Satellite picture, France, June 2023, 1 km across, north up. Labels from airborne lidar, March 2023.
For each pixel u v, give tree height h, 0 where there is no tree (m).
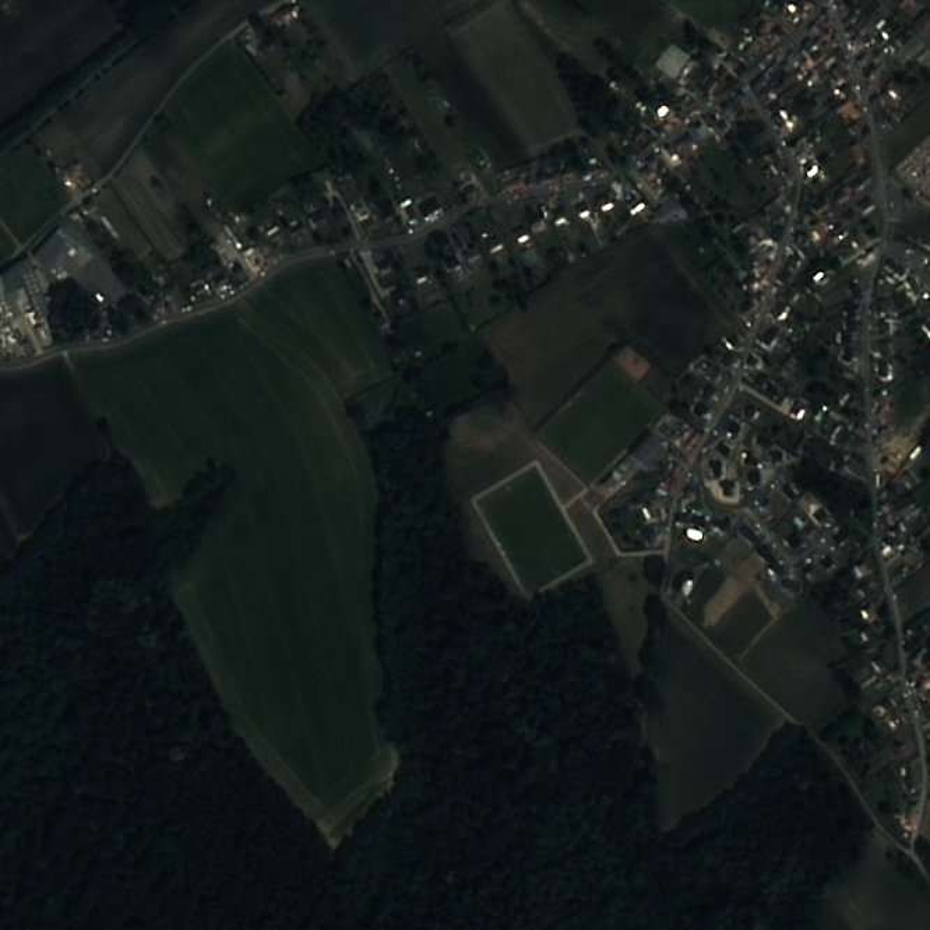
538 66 0
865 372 0
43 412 0
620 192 0
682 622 0
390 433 21
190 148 0
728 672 0
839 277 0
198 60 0
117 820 22
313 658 0
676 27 0
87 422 0
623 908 24
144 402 0
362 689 0
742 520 0
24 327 0
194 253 13
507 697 28
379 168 0
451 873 25
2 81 0
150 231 0
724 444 7
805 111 0
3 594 22
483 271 0
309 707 0
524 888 28
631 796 24
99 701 23
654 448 0
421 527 24
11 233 0
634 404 0
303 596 0
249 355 0
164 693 25
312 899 25
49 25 0
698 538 0
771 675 0
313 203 0
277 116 0
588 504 0
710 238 11
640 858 26
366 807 0
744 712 0
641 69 0
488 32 0
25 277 0
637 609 0
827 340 0
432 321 0
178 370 0
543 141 0
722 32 0
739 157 14
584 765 28
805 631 0
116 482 24
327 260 0
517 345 0
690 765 0
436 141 0
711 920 26
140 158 0
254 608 0
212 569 0
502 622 25
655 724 0
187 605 0
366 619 0
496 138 0
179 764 24
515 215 0
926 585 0
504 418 0
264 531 0
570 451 0
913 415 0
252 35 0
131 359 0
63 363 0
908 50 0
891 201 0
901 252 0
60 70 0
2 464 0
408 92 0
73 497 21
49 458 0
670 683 0
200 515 15
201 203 0
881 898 0
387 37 0
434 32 0
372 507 0
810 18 0
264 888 20
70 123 0
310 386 0
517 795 29
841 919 0
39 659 29
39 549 14
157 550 29
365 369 0
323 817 0
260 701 0
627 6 0
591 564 0
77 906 22
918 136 0
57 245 0
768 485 0
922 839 0
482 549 0
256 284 0
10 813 28
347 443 0
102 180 0
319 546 0
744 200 0
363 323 0
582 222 0
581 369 0
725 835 24
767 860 22
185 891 27
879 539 0
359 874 25
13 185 0
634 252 0
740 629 0
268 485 0
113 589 24
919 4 0
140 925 24
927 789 0
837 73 0
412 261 0
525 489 0
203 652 0
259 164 0
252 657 0
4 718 27
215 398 0
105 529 25
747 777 0
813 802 24
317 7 0
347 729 0
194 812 16
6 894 19
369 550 0
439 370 0
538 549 0
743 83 0
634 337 0
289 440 0
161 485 0
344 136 6
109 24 0
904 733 0
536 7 0
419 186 0
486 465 0
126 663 20
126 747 21
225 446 0
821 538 0
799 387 0
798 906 26
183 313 0
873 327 0
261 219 0
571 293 0
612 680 24
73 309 17
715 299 0
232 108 0
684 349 0
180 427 0
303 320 0
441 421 6
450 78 0
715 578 0
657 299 0
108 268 0
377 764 0
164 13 11
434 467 23
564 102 0
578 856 25
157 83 0
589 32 0
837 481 12
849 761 11
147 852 27
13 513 0
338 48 0
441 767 26
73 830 26
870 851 0
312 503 0
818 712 0
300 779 0
